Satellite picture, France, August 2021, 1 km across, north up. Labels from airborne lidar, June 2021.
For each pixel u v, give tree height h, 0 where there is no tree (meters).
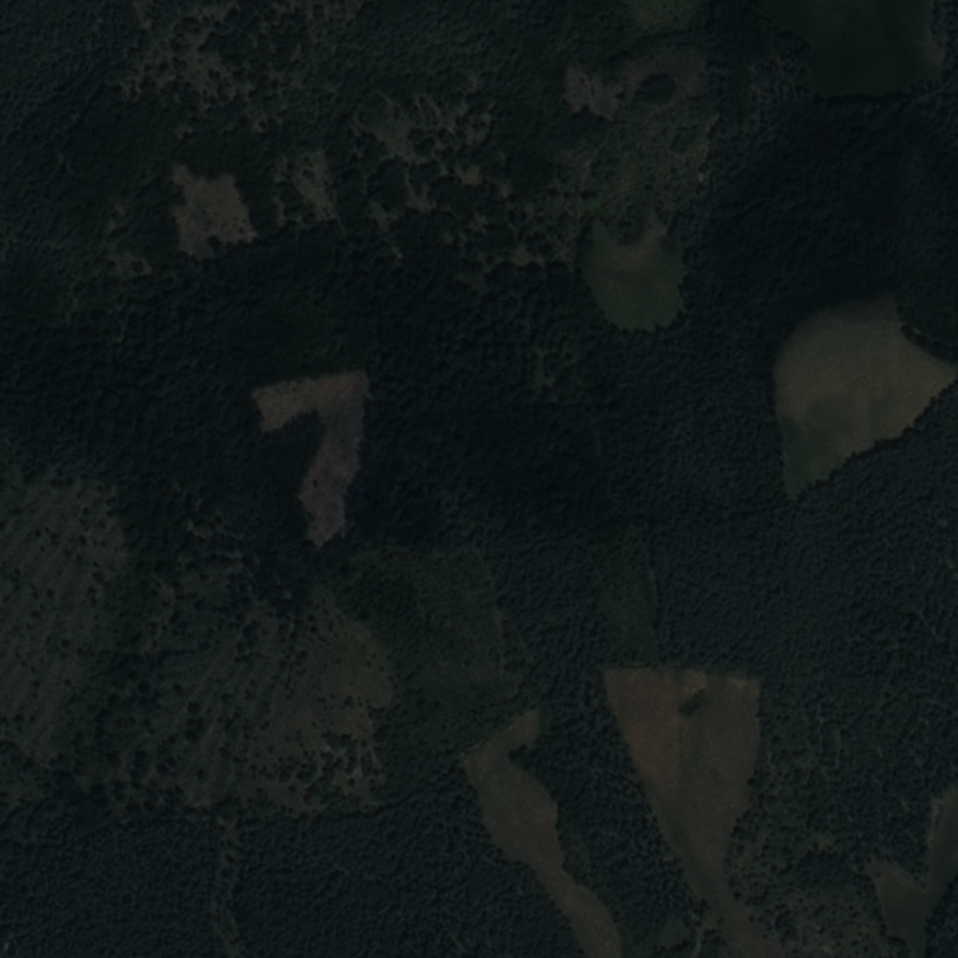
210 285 8
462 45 7
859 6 0
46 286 10
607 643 13
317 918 12
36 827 11
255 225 17
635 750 0
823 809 8
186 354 13
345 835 12
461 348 11
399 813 12
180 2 11
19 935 10
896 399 0
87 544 13
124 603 9
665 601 17
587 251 13
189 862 15
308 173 9
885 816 16
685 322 15
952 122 12
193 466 12
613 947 0
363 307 15
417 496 19
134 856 14
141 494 12
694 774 0
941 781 11
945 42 17
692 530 11
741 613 10
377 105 14
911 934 0
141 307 13
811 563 13
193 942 14
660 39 7
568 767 11
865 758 14
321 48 9
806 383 0
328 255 17
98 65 7
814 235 21
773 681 11
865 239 24
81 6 10
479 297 7
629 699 0
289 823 9
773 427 7
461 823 17
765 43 19
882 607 12
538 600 14
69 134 10
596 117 14
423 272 20
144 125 14
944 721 11
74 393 8
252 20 6
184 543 7
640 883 13
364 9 9
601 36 19
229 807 11
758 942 0
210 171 15
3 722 12
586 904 0
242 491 9
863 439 0
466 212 12
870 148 24
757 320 17
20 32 8
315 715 0
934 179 15
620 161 6
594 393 11
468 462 9
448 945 16
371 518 14
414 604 6
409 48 10
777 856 8
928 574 12
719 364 9
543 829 0
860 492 16
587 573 13
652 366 6
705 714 0
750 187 17
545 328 8
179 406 8
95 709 11
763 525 14
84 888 17
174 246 18
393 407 13
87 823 13
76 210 11
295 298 13
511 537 11
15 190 8
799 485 0
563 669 14
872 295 7
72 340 15
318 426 25
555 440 14
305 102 9
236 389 11
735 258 11
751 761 0
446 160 13
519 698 7
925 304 9
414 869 10
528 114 13
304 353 10
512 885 8
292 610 8
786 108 13
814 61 14
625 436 8
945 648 12
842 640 13
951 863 0
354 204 19
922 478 11
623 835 12
